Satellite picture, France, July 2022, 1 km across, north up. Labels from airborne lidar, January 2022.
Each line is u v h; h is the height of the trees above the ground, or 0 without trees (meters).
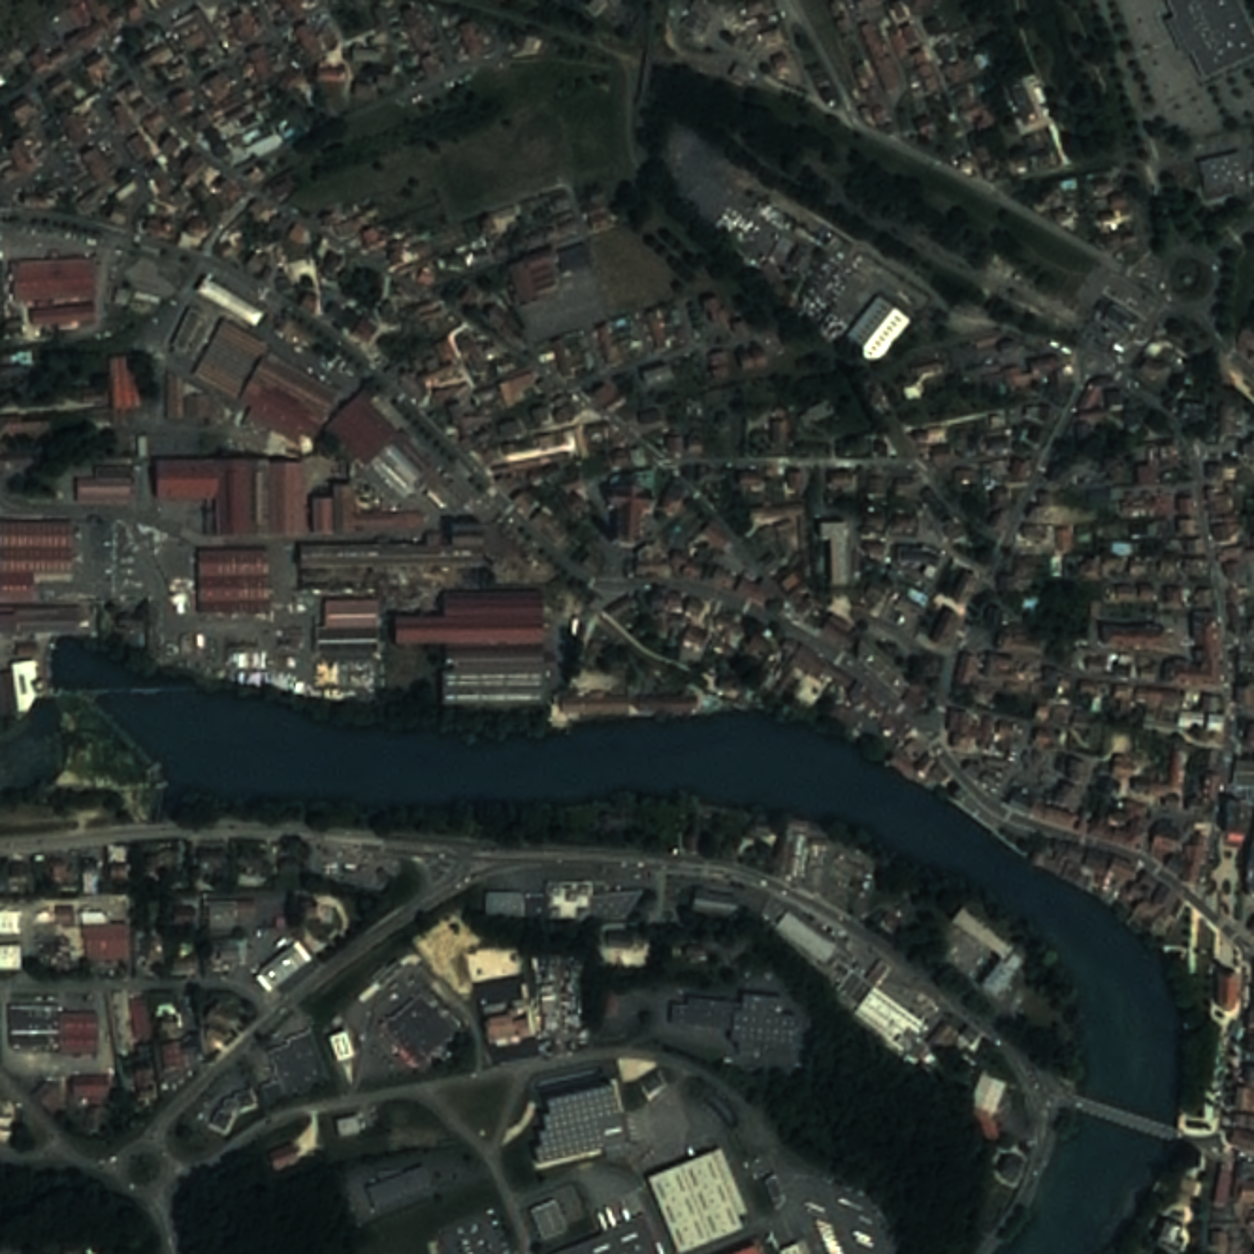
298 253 0
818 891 0
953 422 0
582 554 6
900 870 9
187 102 0
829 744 0
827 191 12
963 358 0
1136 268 0
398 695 11
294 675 0
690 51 0
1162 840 0
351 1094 0
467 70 0
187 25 0
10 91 8
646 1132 0
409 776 0
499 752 0
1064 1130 15
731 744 0
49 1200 22
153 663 13
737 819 0
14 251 0
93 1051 0
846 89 0
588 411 0
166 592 0
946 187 0
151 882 6
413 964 0
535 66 0
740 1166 0
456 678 0
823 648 0
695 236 16
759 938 15
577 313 0
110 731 0
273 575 0
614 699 0
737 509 8
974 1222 23
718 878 0
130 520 0
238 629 0
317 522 0
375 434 0
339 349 6
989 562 13
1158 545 6
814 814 0
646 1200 0
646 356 0
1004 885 0
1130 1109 0
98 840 0
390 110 0
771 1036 0
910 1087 20
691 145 0
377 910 18
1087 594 7
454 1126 0
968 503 8
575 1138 0
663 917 0
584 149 0
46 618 0
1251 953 0
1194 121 0
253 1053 0
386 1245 0
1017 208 0
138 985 0
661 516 7
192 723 0
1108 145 17
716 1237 0
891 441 0
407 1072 0
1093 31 0
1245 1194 0
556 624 0
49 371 17
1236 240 0
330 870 0
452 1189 0
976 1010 16
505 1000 0
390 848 0
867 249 0
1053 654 8
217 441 0
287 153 0
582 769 0
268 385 0
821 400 6
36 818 0
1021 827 0
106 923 0
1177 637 0
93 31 0
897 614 0
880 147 0
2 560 0
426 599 0
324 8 0
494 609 0
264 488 0
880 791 0
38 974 12
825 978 8
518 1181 0
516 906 0
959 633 0
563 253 0
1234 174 0
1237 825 0
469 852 0
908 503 0
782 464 0
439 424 0
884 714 0
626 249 0
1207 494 0
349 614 0
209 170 0
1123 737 0
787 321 15
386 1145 0
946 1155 19
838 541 0
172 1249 0
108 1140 10
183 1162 0
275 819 16
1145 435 6
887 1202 17
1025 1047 11
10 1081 0
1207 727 0
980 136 11
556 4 7
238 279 0
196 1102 0
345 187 0
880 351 0
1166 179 10
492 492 0
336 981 0
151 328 0
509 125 10
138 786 0
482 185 0
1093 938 0
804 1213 0
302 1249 6
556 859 0
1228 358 0
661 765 0
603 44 0
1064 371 0
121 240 0
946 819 0
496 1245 0
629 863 0
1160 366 0
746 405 13
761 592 0
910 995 0
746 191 0
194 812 28
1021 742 0
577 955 14
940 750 0
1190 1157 24
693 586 0
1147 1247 9
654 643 11
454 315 0
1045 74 0
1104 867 0
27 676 0
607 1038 0
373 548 0
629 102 0
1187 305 0
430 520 0
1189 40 0
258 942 0
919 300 0
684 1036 0
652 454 0
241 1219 21
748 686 14
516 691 0
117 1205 18
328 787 0
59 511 0
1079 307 0
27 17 0
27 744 0
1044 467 0
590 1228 0
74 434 14
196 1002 10
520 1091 0
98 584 0
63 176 0
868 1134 8
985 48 10
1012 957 0
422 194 0
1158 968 0
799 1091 11
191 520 0
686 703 0
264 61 0
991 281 0
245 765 0
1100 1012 0
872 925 9
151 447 0
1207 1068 17
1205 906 0
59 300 0
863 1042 16
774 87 0
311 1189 8
